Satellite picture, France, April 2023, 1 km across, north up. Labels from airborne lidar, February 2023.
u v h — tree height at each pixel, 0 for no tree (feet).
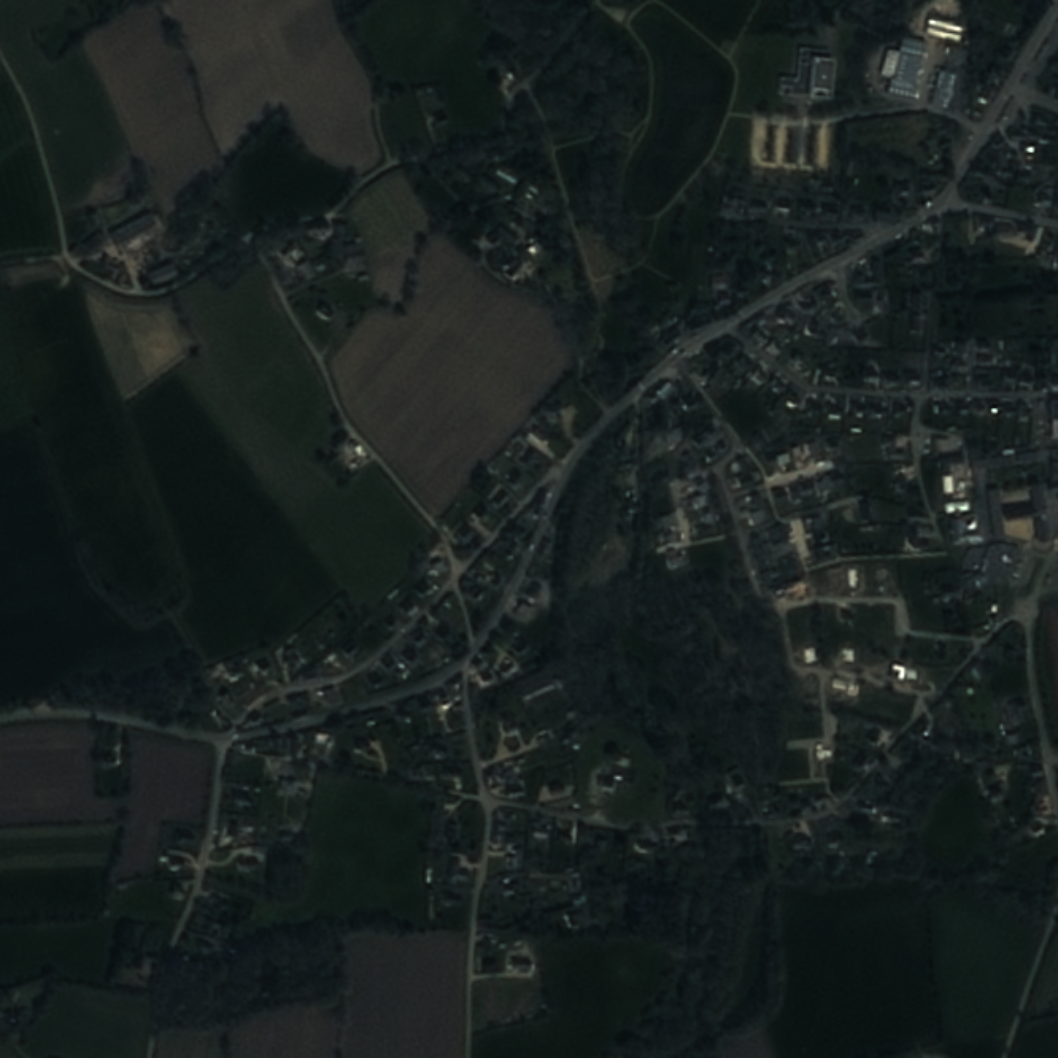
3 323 0
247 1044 0
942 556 0
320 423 0
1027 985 0
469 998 0
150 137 0
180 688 53
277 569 0
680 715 98
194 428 0
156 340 0
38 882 0
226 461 0
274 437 0
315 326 0
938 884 37
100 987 21
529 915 24
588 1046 0
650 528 32
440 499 0
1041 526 0
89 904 0
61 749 0
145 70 0
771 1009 57
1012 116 0
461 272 0
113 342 0
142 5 41
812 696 0
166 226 0
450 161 29
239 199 0
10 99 0
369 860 0
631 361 28
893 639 0
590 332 54
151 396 0
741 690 55
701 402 29
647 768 0
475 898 0
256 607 0
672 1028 96
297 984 87
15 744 0
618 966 0
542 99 62
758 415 0
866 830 32
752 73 0
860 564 0
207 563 0
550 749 0
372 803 0
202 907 21
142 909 0
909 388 0
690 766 48
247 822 0
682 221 26
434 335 0
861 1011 0
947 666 0
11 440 0
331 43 0
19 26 0
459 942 0
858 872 52
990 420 0
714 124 0
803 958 0
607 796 0
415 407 0
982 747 39
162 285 36
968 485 0
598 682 71
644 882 19
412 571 27
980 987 0
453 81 0
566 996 0
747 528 0
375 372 0
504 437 0
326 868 0
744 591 33
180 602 35
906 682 0
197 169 0
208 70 0
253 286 0
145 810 0
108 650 0
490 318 0
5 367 0
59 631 0
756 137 0
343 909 0
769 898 48
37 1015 25
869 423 0
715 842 106
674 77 0
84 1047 0
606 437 28
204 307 0
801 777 0
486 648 23
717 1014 71
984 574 0
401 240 0
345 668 0
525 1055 0
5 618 0
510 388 0
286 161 0
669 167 0
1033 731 0
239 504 0
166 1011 62
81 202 0
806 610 0
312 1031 0
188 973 83
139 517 0
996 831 35
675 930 56
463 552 31
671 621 57
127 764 33
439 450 0
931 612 0
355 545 0
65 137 0
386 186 0
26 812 0
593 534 80
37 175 0
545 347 0
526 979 0
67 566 0
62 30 0
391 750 0
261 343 0
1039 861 0
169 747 0
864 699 0
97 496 0
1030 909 88
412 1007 0
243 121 0
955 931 0
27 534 0
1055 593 0
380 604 0
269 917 0
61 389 0
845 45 0
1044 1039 0
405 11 0
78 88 0
